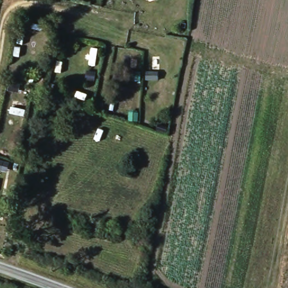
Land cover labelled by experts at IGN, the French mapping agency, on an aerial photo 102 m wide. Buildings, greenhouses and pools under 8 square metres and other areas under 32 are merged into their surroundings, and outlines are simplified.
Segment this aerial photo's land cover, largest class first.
<instances>
[{"label":"agricultural land","instance_id":"1","mask_svg":"<svg viewBox=\"0 0 288 288\"><path fill-rule=\"evenodd\" d=\"M192 42L179 105L184 109V115L180 114L177 117L175 132L169 135V146L173 147L172 161L178 163V177L170 207L161 268L153 270V274H157L169 288H288V0H193L191 18Z\"/></svg>","mask_w":288,"mask_h":288},{"label":"herbaceous vegetation","instance_id":"2","mask_svg":"<svg viewBox=\"0 0 288 288\"><path fill-rule=\"evenodd\" d=\"M92 3L91 10L78 4L60 11L62 21L55 30V39L64 57L55 66L56 83L63 81L67 91L75 94V98L83 100L91 99L94 109L106 112L107 115L128 118V112H133L141 105L138 83H141V76H145L152 66L153 69L159 70V80L147 81L145 123H150L153 117L156 118L157 112L161 109L168 108L171 119L169 135L175 132L177 117L180 114L184 115V109L179 105H175L174 96L187 39L168 36L166 33H177L181 20L191 18L193 0H80ZM129 28H133L130 40L144 47V52L134 48H119L116 62H112V57H108L102 93L87 90V87L94 84V75H89L87 71L91 66L101 70L103 56L99 51L105 45L85 39V35L107 39L111 44L123 45L127 42ZM53 9L51 4L36 3L26 8L20 16L21 25L24 26V39L18 40L16 47L6 39L0 53V72L6 69L10 61L13 63L10 67L13 71L11 85L17 90L10 94L9 114L0 134V153L9 156L10 150L15 148L17 132L22 129L25 110L16 107L27 105L25 96L30 89H25V84L29 80V71L37 65L34 61L37 54L44 53V46L48 40L46 33L39 30L38 21L52 13ZM29 129L24 133V147L26 150L33 148L35 154L42 157L43 161L52 160L53 165H49L45 172L27 173L25 184L17 186V164L13 163L12 169H8L7 166L0 168V192L7 196L8 187L13 188L18 197L26 200V208L45 205L40 215H43L44 222H52L54 228L60 229L64 244L55 246L46 243L44 247L45 251L65 255L78 252L81 247L100 246L101 252L93 256V259H85L84 263H92L94 268L106 273H116L120 277H135L142 253L125 240L126 231L135 211L146 204L145 199L153 187L160 157L168 155L159 201L150 205V215L155 218L154 232L146 229L151 251L147 254L146 277L142 283L145 285L150 282L153 288H169L157 274H153V270L161 268L170 207L166 204L165 192L172 161L173 147L169 146V137H155L141 130L103 120L96 134L76 138L73 144L70 141H60L54 134L49 136L46 133L36 143H29ZM139 147L144 148L148 156V165L142 169L138 177L130 178L125 172L124 162L129 153ZM67 210L84 211L93 215L106 210L109 216L117 217L119 237L123 242L111 243L103 238L87 240L78 233H72ZM21 243L28 247V243L16 240L8 233L6 219L0 217V250L2 247ZM7 262L74 288H107L106 285L83 278L79 274L66 276L49 265L39 267L35 261L22 258L19 253L6 256L0 253V263Z\"/></svg>","mask_w":288,"mask_h":288},{"label":"deciduous trees","instance_id":"3","mask_svg":"<svg viewBox=\"0 0 288 288\"><path fill-rule=\"evenodd\" d=\"M62 21L60 11L53 9L52 13L38 21L39 30L46 33L48 40L44 46V53L37 54L34 61L37 65L29 71V80L25 84V89H30L25 96L27 105L16 107L25 110L22 129L24 133L29 129V143H36L46 133L49 136L54 134L60 141H70L73 144L76 138L96 134L103 120L84 111L83 100L75 98V94L67 91L63 81L56 83L55 66L64 57L55 39V30ZM19 154L25 155L28 164H21L17 169V186L25 184L27 173L45 172L49 165H53L52 160L43 161L42 157L35 154L33 148L26 150L24 147L19 150ZM148 165V156L144 148L139 147L129 153L124 162L125 172L130 178L138 177L142 169ZM45 205L26 208V200L18 197L13 188L8 187L7 196L0 192V217L6 219L8 233L16 240L28 243L31 241L44 247L46 243L55 246L64 244L60 229L54 228L52 222H44L43 215H40ZM72 233H78L87 240L103 238L111 243L123 242L119 237L117 217L109 216L106 210L93 215L84 211L67 210Z\"/></svg>","mask_w":288,"mask_h":288},{"label":"brushwood","instance_id":"4","mask_svg":"<svg viewBox=\"0 0 288 288\"><path fill-rule=\"evenodd\" d=\"M36 3L51 4L53 9L60 11L78 4L91 10L92 3L80 0H35ZM26 8L20 7L10 13L6 39L16 47L18 40L24 39V26L21 25L20 16ZM177 33H166L168 36L187 39L174 96L175 105H179L192 42L191 18L181 20ZM133 28H129L127 42L123 45L111 44L107 39L85 35V39L105 45L99 51L103 56L101 70L91 66L87 71L89 75H94V84L87 87V90L102 93L108 57H112V62H116L119 48H134L144 52V47L130 40ZM13 63L10 61L6 69L0 72V134L9 114L10 94L17 90L11 85L13 71L10 67ZM147 81L145 76H141V83H138L141 105L133 112L137 114L136 123L129 121L128 118L107 115L106 112L94 109L91 99L83 100L84 111L103 120L141 130L155 137H169V135L171 119L168 108L161 109L157 112L156 118L153 117L150 123H145ZM24 133L22 129L17 132L15 148L10 150L9 156L13 163L17 164V169L21 164H28L25 155L19 154V150L24 147ZM168 155L160 157L153 187L145 199L146 204L135 211L126 231L125 240L142 253L135 277H120L116 273H106L94 268L92 263H84L85 259H93V256L101 252L100 246L81 247L78 252L65 255L45 251L44 247L31 241L28 243V247L21 243L2 247L0 250V253L6 256L19 253L22 258L35 261L39 267L49 265L66 276L79 274L83 278L106 285L107 288H153L150 282L145 285L142 283L146 277L147 254L151 251L146 229L154 232L155 218L150 215V205L159 201ZM178 177V163L172 161L165 192L166 204L170 207Z\"/></svg>","mask_w":288,"mask_h":288},{"label":"impervious surface","instance_id":"5","mask_svg":"<svg viewBox=\"0 0 288 288\"><path fill-rule=\"evenodd\" d=\"M0 288H74L7 262L0 263Z\"/></svg>","mask_w":288,"mask_h":288},{"label":"pervious surface","instance_id":"6","mask_svg":"<svg viewBox=\"0 0 288 288\"><path fill-rule=\"evenodd\" d=\"M36 3L35 0H0V53L6 39L10 13L20 7L26 8Z\"/></svg>","mask_w":288,"mask_h":288},{"label":"building","instance_id":"7","mask_svg":"<svg viewBox=\"0 0 288 288\"><path fill-rule=\"evenodd\" d=\"M159 70L153 69L152 66L145 76L147 81L159 80ZM128 118L129 121L136 123L137 114L133 112H128ZM13 163L9 156L0 153V168L7 166L8 169H12Z\"/></svg>","mask_w":288,"mask_h":288}]
</instances>
